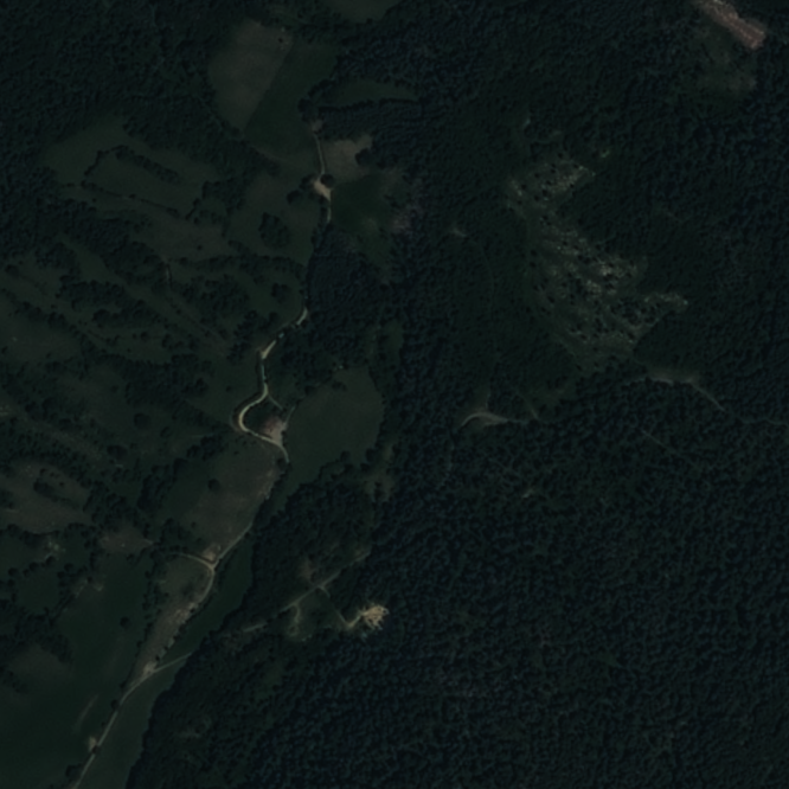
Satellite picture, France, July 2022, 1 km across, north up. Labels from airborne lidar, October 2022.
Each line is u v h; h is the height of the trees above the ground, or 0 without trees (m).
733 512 25
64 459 18
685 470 21
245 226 0
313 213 0
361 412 0
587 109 8
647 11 26
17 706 0
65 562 0
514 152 6
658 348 10
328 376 13
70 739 0
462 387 16
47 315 8
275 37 0
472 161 6
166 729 11
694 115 14
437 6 23
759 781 19
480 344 6
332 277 23
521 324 8
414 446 7
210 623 0
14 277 12
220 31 14
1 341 0
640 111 17
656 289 7
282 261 13
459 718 27
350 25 14
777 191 27
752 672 29
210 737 9
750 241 20
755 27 0
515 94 9
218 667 22
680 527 17
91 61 18
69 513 0
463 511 23
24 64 15
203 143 10
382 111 15
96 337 6
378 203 0
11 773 0
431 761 15
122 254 13
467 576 16
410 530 27
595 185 6
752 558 31
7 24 17
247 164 6
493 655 27
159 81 20
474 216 6
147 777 23
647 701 27
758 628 34
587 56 17
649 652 20
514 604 21
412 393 7
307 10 12
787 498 13
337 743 20
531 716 19
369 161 24
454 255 9
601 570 17
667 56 19
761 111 31
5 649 19
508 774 22
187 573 0
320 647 8
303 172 0
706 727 27
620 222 9
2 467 8
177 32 23
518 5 13
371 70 22
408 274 17
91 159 0
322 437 0
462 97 26
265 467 0
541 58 16
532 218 0
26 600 0
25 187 18
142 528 15
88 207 14
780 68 29
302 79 0
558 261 0
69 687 0
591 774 26
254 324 18
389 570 20
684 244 6
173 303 8
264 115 0
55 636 9
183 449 0
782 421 18
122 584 0
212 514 0
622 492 7
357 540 14
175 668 0
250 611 18
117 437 6
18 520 0
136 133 13
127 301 14
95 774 0
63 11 22
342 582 9
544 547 28
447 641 14
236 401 0
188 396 16
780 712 18
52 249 12
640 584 6
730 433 25
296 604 0
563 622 24
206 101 10
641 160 12
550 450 11
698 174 15
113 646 0
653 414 25
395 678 18
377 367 6
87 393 0
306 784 24
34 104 15
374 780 20
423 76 24
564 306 0
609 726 19
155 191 0
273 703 12
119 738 0
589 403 17
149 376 12
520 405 12
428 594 15
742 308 21
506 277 7
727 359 24
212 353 0
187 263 13
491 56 25
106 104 18
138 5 15
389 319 7
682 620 25
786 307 23
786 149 23
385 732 16
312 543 10
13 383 22
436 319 7
